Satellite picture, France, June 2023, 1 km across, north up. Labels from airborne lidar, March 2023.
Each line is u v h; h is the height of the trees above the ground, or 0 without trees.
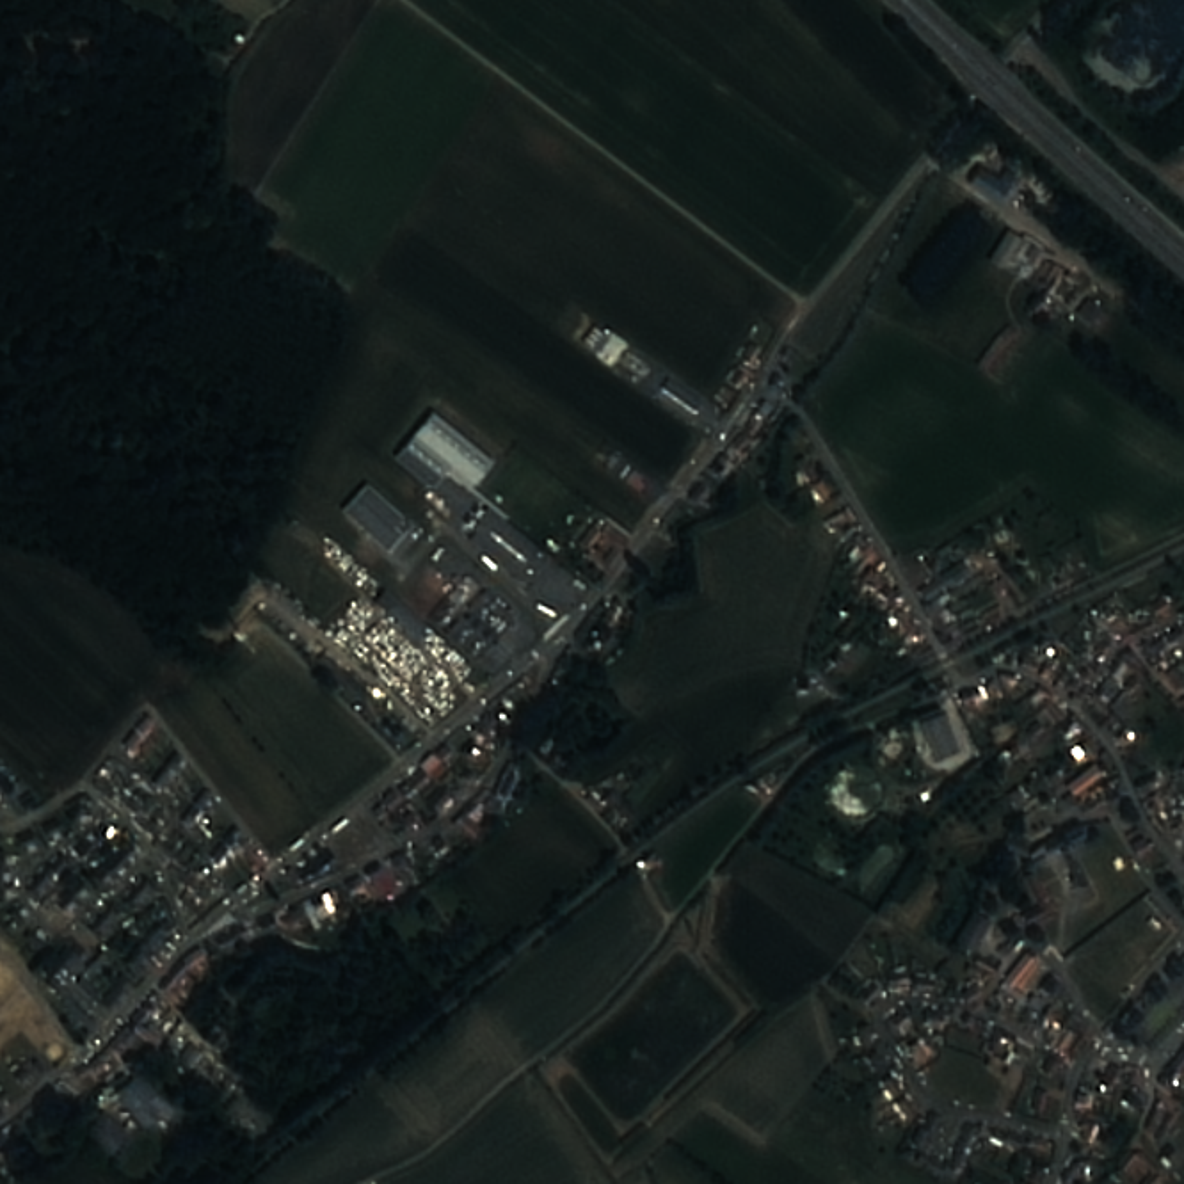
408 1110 0
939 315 0
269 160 0
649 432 0
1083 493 0
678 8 0
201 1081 18
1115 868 0
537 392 0
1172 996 0
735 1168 0
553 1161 0
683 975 0
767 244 0
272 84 0
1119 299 0
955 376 0
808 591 0
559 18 0
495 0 0
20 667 0
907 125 0
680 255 0
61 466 29
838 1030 0
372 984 17
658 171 0
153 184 27
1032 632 9
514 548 0
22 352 25
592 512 0
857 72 0
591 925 0
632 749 0
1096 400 0
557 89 0
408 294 0
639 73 0
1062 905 0
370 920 8
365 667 0
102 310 25
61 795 0
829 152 0
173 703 0
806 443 0
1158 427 0
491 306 0
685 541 11
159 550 28
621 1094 0
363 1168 0
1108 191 0
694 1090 0
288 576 0
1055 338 0
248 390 23
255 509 22
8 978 0
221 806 0
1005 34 0
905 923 0
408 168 0
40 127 27
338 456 0
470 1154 0
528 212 0
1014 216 0
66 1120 25
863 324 0
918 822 8
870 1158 0
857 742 7
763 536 0
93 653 0
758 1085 0
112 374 28
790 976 0
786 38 0
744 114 0
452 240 0
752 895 0
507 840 0
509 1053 0
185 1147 33
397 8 0
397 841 0
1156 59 0
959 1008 0
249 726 0
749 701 0
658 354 0
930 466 0
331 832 0
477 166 0
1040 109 0
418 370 0
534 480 0
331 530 0
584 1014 0
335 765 0
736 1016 0
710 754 0
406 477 0
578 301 0
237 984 18
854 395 0
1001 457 0
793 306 0
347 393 0
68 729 0
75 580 0
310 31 0
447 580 0
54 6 28
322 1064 20
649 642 0
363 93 0
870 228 0
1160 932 0
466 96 0
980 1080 0
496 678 0
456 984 9
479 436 0
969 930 0
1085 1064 0
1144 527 0
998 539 0
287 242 0
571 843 0
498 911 0
